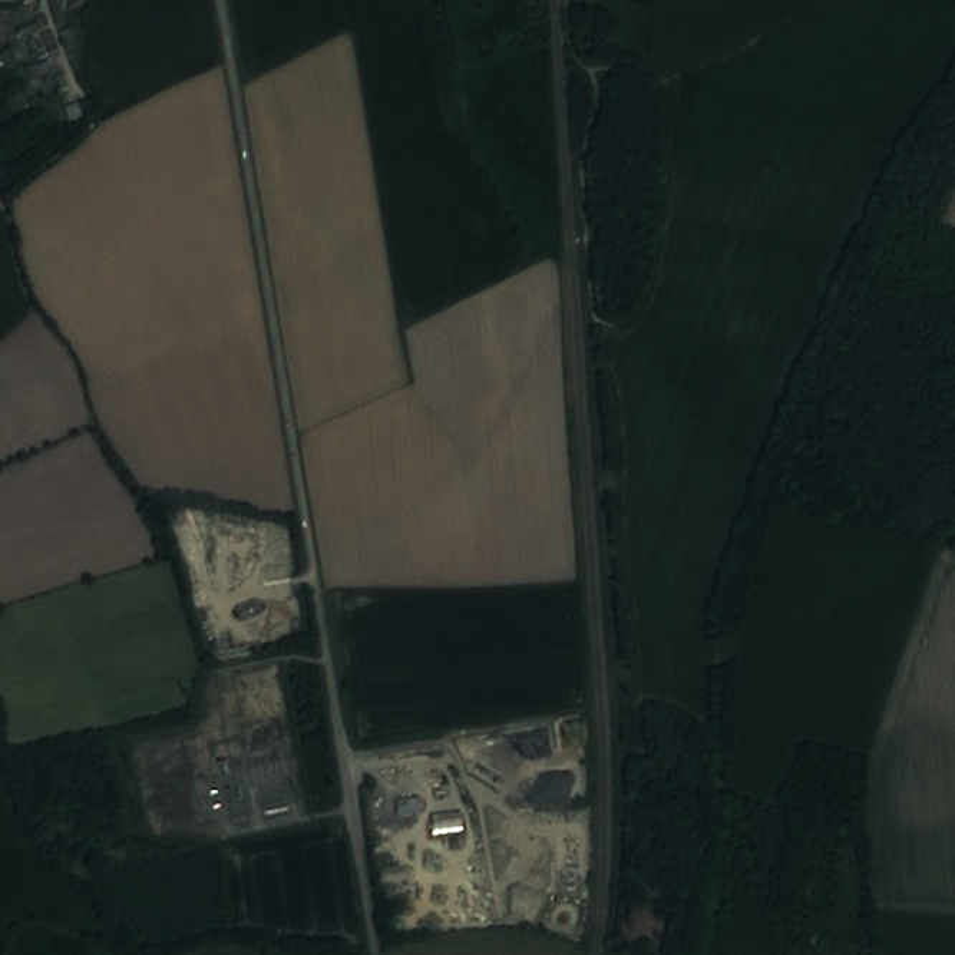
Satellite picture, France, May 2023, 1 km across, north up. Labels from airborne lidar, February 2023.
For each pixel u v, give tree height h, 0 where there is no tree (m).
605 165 14
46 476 0
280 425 0
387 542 0
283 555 0
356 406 0
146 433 0
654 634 0
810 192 0
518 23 0
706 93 0
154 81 0
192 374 0
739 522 14
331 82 0
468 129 0
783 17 0
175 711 7
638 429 0
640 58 9
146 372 0
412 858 0
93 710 0
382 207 0
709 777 15
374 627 0
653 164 15
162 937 7
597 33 13
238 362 0
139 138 0
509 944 0
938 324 11
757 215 0
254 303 0
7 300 0
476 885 0
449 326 0
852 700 0
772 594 0
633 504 0
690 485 0
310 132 0
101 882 8
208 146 0
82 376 8
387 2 0
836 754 15
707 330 0
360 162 0
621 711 0
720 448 0
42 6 0
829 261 0
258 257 0
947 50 0
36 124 11
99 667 0
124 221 0
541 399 0
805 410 12
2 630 0
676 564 0
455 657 0
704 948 13
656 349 0
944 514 7
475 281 0
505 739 0
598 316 9
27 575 0
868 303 11
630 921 10
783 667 0
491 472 0
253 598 0
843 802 10
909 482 10
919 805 0
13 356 0
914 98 0
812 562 0
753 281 0
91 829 10
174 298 0
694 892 19
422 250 0
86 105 13
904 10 0
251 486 0
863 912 6
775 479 14
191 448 0
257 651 9
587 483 0
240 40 0
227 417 0
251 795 0
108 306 0
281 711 0
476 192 0
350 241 0
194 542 0
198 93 0
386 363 0
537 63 0
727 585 16
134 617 0
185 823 0
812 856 7
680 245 0
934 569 0
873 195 9
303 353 0
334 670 0
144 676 0
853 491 15
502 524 0
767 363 0
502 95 0
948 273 16
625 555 0
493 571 0
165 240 0
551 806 0
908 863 0
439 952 0
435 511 0
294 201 0
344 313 0
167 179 0
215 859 9
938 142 18
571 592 0
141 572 0
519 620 0
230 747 0
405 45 0
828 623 0
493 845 0
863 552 0
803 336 0
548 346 0
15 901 0
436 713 0
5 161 6
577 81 10
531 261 0
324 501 0
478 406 0
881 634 0
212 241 0
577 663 0
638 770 11
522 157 0
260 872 0
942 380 11
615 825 0
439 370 0
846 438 13
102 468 0
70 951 0
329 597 0
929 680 0
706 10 0
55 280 0
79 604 0
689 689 0
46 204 0
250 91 0
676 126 0
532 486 0
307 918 0
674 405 0
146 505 13
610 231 13
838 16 0
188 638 0
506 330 0
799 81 0
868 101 0
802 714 0
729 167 0
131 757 0
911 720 0
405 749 0
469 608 0
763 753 0
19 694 0
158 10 0
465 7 0
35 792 15
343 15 0
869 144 0
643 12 0
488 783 0
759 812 13
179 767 0
